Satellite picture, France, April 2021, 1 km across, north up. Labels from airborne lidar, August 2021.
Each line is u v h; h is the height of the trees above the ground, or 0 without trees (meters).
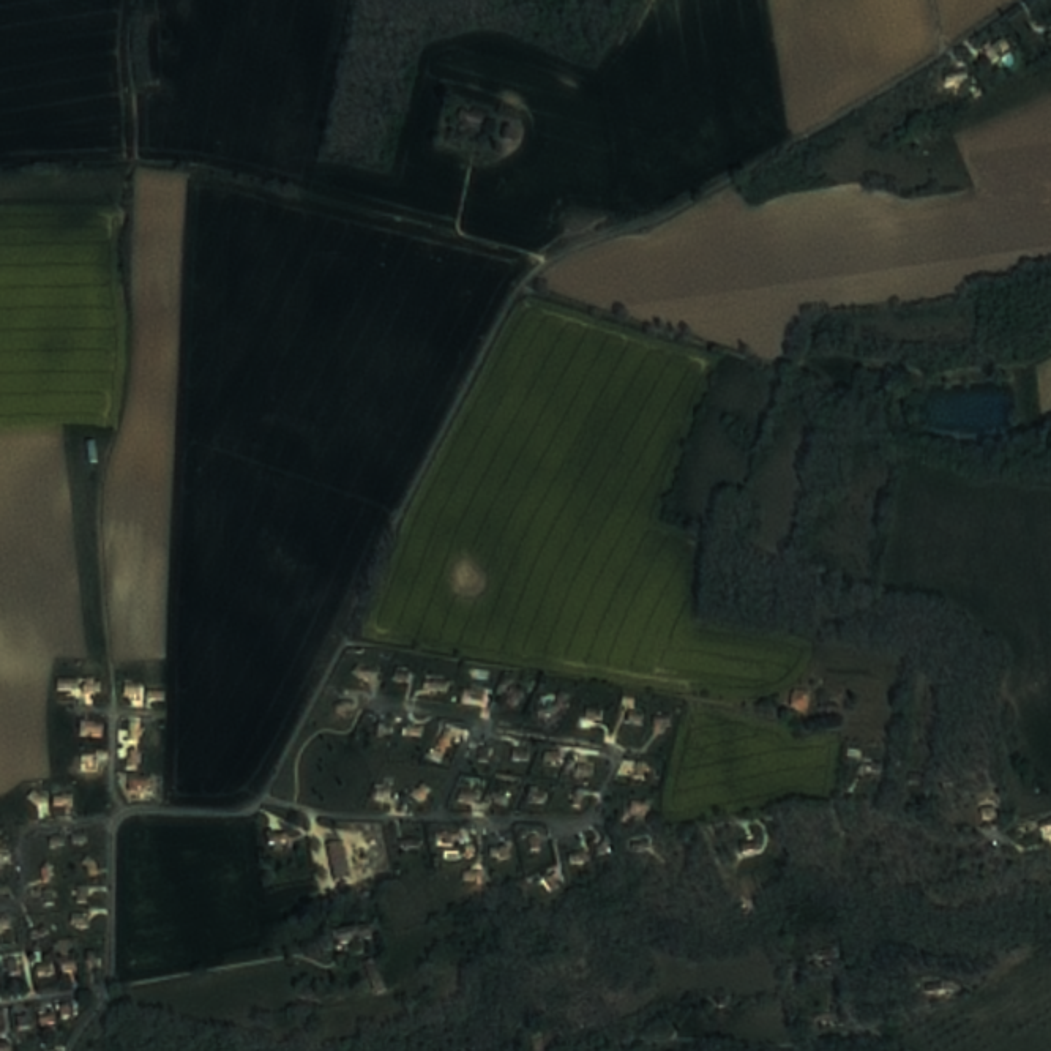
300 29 0
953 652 17
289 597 0
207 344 0
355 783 0
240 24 0
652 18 0
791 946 15
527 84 0
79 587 0
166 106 0
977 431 6
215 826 0
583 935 14
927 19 0
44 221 0
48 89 0
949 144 0
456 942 8
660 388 0
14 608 0
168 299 0
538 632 0
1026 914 21
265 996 0
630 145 0
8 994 12
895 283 0
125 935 0
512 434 0
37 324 0
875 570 7
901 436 15
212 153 0
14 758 0
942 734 19
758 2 0
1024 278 16
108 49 0
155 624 0
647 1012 10
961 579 0
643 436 0
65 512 0
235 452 0
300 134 0
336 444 0
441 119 13
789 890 19
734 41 0
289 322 0
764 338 0
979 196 0
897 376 23
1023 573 0
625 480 0
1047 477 15
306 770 0
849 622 14
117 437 0
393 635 0
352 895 22
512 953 20
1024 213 0
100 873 0
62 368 0
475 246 0
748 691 0
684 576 0
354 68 17
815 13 0
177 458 0
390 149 10
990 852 13
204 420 0
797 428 0
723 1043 18
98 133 0
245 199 0
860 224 0
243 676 0
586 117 0
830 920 16
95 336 0
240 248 0
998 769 14
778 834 20
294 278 0
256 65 0
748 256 0
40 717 0
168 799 0
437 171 0
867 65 0
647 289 0
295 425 0
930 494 0
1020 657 0
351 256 0
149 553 0
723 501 16
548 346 0
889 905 14
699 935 11
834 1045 20
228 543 0
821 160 9
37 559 0
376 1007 0
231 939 0
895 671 0
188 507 0
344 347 0
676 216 0
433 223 0
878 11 0
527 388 0
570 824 0
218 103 0
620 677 0
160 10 0
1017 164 0
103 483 0
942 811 13
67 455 0
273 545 0
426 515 0
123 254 11
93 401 0
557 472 0
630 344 0
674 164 0
